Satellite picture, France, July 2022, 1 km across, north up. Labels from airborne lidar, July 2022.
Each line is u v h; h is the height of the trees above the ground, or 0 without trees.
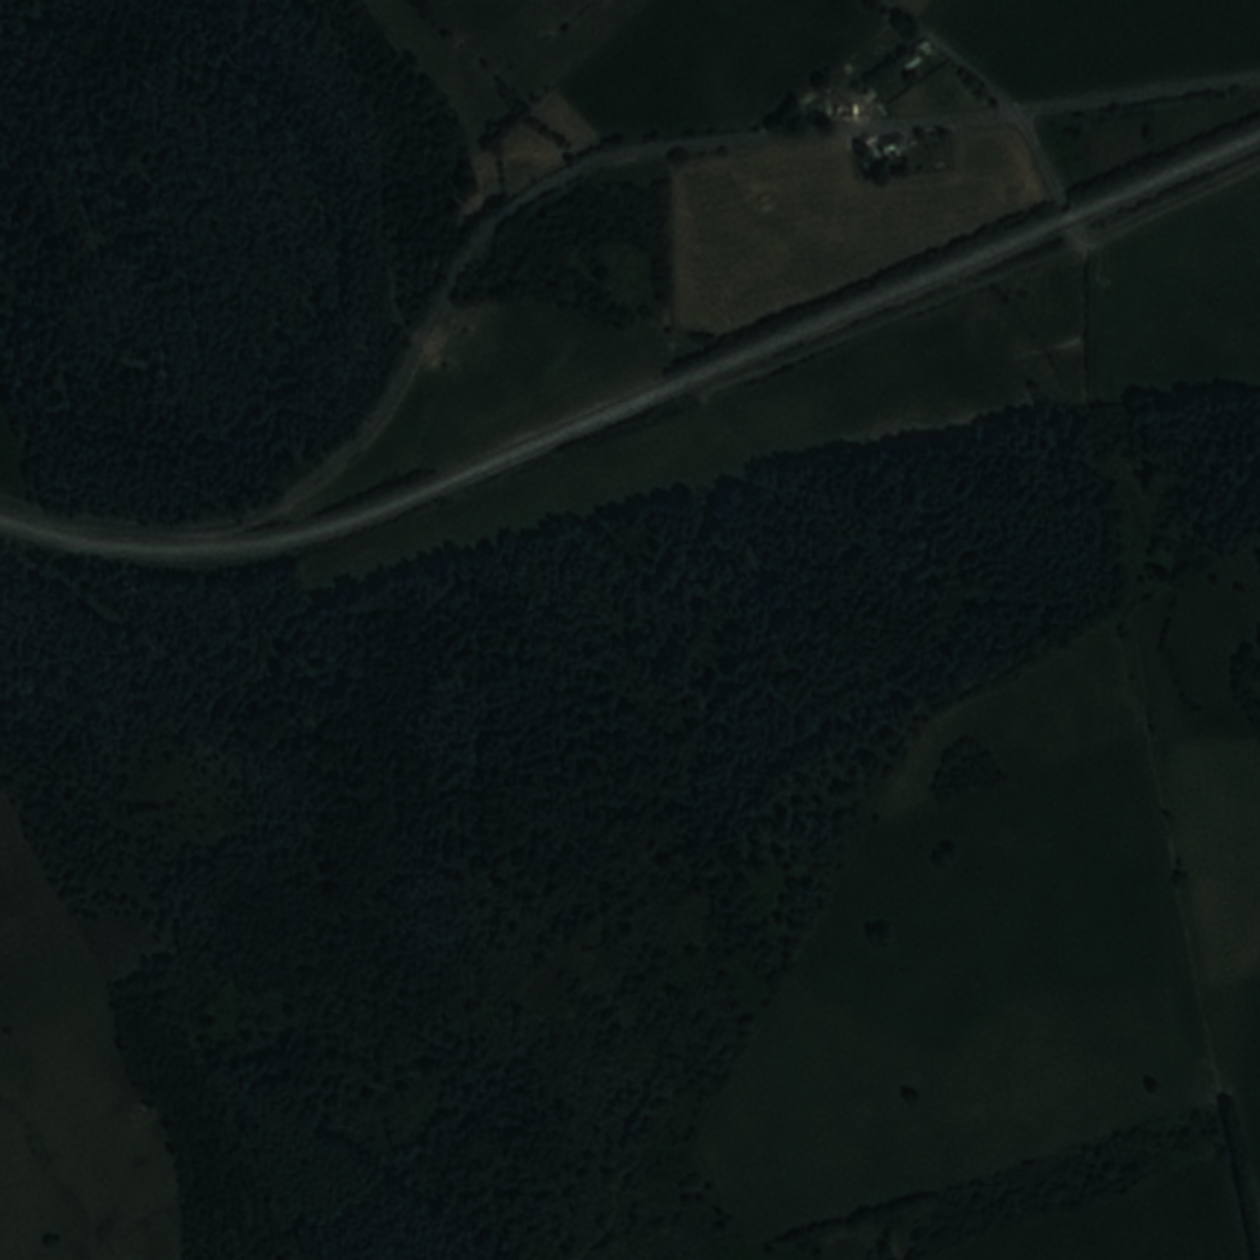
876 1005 0
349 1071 6
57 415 21
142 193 18
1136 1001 0
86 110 13
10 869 0
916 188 0
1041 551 23
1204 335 0
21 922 0
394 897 15
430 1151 15
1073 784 0
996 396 0
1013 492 22
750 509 31
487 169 0
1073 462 33
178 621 27
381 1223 26
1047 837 0
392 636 12
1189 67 0
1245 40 0
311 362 31
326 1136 29
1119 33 0
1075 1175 9
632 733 17
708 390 0
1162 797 0
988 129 0
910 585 35
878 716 25
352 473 0
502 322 0
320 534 0
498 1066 10
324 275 14
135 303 21
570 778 17
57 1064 0
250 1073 14
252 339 18
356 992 15
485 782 18
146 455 24
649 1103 8
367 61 15
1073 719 0
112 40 27
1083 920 0
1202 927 0
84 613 25
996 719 0
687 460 0
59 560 11
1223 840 0
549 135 10
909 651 19
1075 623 24
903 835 0
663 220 6
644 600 17
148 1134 0
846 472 25
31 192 22
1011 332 0
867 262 0
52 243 26
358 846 16
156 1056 9
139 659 28
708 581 34
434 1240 22
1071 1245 0
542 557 17
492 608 13
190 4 26
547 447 0
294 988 15
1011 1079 0
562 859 13
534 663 20
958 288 0
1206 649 0
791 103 12
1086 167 0
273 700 19
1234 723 0
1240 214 0
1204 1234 0
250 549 0
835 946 0
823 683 21
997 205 0
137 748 9
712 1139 0
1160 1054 0
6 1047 0
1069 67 0
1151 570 8
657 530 27
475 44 0
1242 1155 23
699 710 12
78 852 7
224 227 18
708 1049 8
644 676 26
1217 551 19
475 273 11
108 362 15
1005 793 0
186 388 20
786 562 26
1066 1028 0
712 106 0
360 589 26
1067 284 0
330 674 10
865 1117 0
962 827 0
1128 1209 0
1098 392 0
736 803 18
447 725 23
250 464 32
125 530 0
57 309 18
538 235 8
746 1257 0
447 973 18
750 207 0
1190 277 0
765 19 0
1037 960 0
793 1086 0
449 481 0
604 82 0
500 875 10
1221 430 17
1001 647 31
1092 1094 0
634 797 22
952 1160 0
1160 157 6
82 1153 0
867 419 0
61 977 0
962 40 0
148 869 11
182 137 15
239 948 19
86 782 17
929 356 0
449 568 24
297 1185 27
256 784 11
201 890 18
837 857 8
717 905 8
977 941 0
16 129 33
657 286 7
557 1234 12
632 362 0
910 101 0
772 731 22
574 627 15
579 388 0
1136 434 15
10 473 0
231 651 31
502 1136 15
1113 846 0
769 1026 0
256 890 17
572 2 0
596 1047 6
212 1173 10
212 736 17
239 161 17
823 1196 0
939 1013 0
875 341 0
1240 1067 0
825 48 0
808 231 0
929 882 0
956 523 23
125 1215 0
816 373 0
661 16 0
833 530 27
